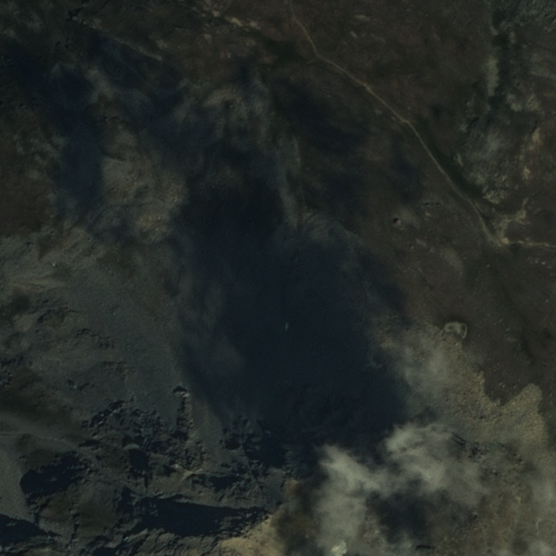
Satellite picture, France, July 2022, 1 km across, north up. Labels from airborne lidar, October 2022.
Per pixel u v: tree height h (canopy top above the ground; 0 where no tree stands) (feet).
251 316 0
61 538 0
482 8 0
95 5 0
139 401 0
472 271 0
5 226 0
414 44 0
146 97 0
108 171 0
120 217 0
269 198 0
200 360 0
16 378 0
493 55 0
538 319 0
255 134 0
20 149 0
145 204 0
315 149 0
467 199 0
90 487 0
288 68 0
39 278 0
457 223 0
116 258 0
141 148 0
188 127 0
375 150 0
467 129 0
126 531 0
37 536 108
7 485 0
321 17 0
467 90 0
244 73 0
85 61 0
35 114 0
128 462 0
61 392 0
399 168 0
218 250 0
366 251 0
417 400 0
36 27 0
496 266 0
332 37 0
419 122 0
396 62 0
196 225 0
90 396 0
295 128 0
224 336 0
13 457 0
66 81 0
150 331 0
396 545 0
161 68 0
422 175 0
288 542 0
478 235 0
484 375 0
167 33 0
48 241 0
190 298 0
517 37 0
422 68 0
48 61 0
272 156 0
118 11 0
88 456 0
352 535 0
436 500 0
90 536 0
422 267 0
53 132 0
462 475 0
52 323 0
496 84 0
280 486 0
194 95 0
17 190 0
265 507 0
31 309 0
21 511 0
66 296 0
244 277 0
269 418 0
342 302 0
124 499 0
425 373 0
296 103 0
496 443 0
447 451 0
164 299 0
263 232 0
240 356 0
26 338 0
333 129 0
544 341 0
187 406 0
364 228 0
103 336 0
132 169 0
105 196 0
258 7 0
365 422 0
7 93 0
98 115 0
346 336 0
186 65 0
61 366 0
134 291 0
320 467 0
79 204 0
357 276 0
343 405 0
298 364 0
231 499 0
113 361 0
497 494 0
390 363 0
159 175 0
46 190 0
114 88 0
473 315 0
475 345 0
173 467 0
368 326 0
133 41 0
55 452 0
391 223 0
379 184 0
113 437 0
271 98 0
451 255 0
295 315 0
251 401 0
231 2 0
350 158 0
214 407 0
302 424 0
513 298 0
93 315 0
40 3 0
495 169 0
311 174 0
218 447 0
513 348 0
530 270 0
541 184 0
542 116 0
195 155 0
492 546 0
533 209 0
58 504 0
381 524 0
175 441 0
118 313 0
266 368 0
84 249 0
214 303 0
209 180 0
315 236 0
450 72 0
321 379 0
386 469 0
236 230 0
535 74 0
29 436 0
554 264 0
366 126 0
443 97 0
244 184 0
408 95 0
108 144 0
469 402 0
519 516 0
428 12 0
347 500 0
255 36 0
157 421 0
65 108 0
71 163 0
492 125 0
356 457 0
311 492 0
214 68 0
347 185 0
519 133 0
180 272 0
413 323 0
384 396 0
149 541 0
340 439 0
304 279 0
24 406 0
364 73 0
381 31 0
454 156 0
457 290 0
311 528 0
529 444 0
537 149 0
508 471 0
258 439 0
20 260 0
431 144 0
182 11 0
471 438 0
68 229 0
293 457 0
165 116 0
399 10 0
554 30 0
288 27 0
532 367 0
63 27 0
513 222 0
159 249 0
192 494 0
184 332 0
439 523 0
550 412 0
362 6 0
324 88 0
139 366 0
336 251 0
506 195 0
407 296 0
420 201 0
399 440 0
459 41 0
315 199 0
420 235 0
